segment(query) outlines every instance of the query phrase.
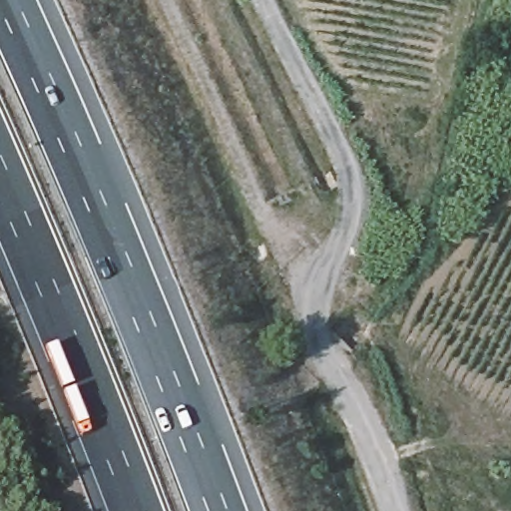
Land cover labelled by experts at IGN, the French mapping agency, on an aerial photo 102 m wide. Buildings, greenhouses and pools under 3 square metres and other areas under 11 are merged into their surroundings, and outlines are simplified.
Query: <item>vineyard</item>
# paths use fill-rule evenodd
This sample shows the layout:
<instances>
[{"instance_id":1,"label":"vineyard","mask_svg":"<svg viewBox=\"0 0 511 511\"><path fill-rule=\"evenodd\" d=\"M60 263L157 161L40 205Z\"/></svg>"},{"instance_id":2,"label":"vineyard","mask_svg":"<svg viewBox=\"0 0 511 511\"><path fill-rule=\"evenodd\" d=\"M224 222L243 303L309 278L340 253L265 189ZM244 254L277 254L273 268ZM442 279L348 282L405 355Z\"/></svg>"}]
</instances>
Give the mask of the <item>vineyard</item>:
<instances>
[{"instance_id":1,"label":"vineyard","mask_svg":"<svg viewBox=\"0 0 511 511\"><path fill-rule=\"evenodd\" d=\"M505 178L499 178L497 194L489 200L487 216L477 224L477 228L463 234L465 242L453 254L443 259L443 263L435 269L431 277L427 277L423 283L413 281L409 285L405 297L411 303L411 307L405 315L405 323L399 335L405 337L407 343L419 345L421 341L425 341L425 335L431 335L421 351L439 353L441 357L445 357L447 347L455 339L461 339L459 347L451 355L457 357L457 361L467 369L501 381L507 389L511 389L511 186Z\"/></svg>"},{"instance_id":2,"label":"vineyard","mask_svg":"<svg viewBox=\"0 0 511 511\"><path fill-rule=\"evenodd\" d=\"M481 30L481 42L489 48L489 52L505 60L503 72L511 74L511 12L505 12L501 20L489 20Z\"/></svg>"},{"instance_id":3,"label":"vineyard","mask_svg":"<svg viewBox=\"0 0 511 511\"><path fill-rule=\"evenodd\" d=\"M230 172L230 178L240 186L240 196L246 200L246 206L252 210L259 232L265 236L263 244L257 250L261 279L267 285L265 295L275 297L277 301L281 301L285 309L293 313L293 295L287 283L289 267L295 265L299 257L311 248L315 250L325 244L331 230L341 220L343 208L341 204L337 204L337 200L333 200L333 202L319 202L319 198L315 196L315 192L313 192L313 186L317 186L317 190L319 190L319 192L321 192L321 190L327 190L327 188L333 188L337 170L333 168L325 146L317 136L313 120L307 114L303 100L299 98L299 92L295 90L287 70L283 68L273 48L269 32L261 16L257 14L252 0L146 0L150 20L164 34L172 58L178 62L178 68L190 88L190 94L204 114L208 132L214 136L218 144L218 152Z\"/></svg>"},{"instance_id":4,"label":"vineyard","mask_svg":"<svg viewBox=\"0 0 511 511\"><path fill-rule=\"evenodd\" d=\"M387 94L397 94L399 88L405 92L421 92L421 88L429 88L433 92L433 100L439 100L441 104L445 102L445 94L453 90L453 76L457 70L461 40L465 32L473 26L475 10L471 6L475 0L275 0L287 28L293 32L295 38L303 30L307 30L317 50L331 66L331 70L343 78L353 90L367 90L369 86L379 86L379 90Z\"/></svg>"}]
</instances>

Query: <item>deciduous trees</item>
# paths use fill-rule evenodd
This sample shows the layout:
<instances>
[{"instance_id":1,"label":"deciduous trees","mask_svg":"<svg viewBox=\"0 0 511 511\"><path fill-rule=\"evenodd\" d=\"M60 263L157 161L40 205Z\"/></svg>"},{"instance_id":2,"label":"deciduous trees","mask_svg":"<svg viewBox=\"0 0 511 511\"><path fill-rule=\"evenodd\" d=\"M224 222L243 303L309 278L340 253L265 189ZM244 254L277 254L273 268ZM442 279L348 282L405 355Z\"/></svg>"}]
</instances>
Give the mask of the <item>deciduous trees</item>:
<instances>
[{"instance_id":1,"label":"deciduous trees","mask_svg":"<svg viewBox=\"0 0 511 511\"><path fill-rule=\"evenodd\" d=\"M333 108L333 126L337 128L337 132L343 130L363 176L365 206L361 214L361 228L357 234L355 248L353 257L359 261L359 271L365 275L367 281L375 285L375 289L367 297L371 307L367 307L363 315L371 323L385 319L393 313L405 315L411 307L411 303L405 297L409 285L413 281L423 283L427 277L431 277L435 269L443 263L443 259L453 254L465 242L463 234L477 228L477 224L487 216L489 200L497 194L499 178L505 178L511 186L511 74L503 72L505 60L489 52L489 48L481 42L481 30L489 20L501 20L505 12L511 12L511 0L475 0L471 6L475 10L473 26L465 32L461 40L457 70L453 76L453 90L445 94L445 102L447 112L437 116L437 128L421 138L415 138L415 132L425 126L427 112L421 108L405 110L407 118L415 120L413 124L371 124L361 116L359 122L349 124L351 112L341 102L341 90L337 88L337 84L343 78L331 70L331 66L317 50L307 30L303 30L295 38L303 56L309 60L311 72L319 82L325 100ZM401 212L397 204L383 194L381 176L375 168L375 162L367 156L369 148L365 142L355 138L355 132L361 128L367 132L367 136L375 138L387 154L387 166L391 170L395 188L403 184L407 186L407 210Z\"/></svg>"},{"instance_id":2,"label":"deciduous trees","mask_svg":"<svg viewBox=\"0 0 511 511\"><path fill-rule=\"evenodd\" d=\"M218 144L214 136L208 132L204 114L190 94L190 88L178 68L178 62L172 58L164 34L150 20L146 0L74 0L84 4L82 28L90 34L92 44L104 54L106 66L112 74L112 82L118 88L116 92L128 104L130 114L136 118L136 122L152 138L158 138L158 152L162 156L152 164L152 172L168 200L166 218L178 222L178 242L182 244L184 257L188 261L202 263L200 285L208 293L208 301L202 307L202 317L210 323L210 337L218 353L226 361L238 361L242 367L242 375L248 377L250 385L254 387L254 391L250 391L248 395L248 401L244 401L240 409L244 413L255 449L259 451L261 463L273 469L275 483L279 485L277 493L281 501L289 507L289 511L379 511L375 497L369 489L369 481L363 473L363 467L355 459L355 449L347 435L345 423L339 415L341 405L333 401L339 393L335 387L325 385L325 379L313 367L309 357L321 357L321 353L327 347L339 341L345 341L349 345L351 369L371 395L373 407L377 409L377 415L391 443L395 445L407 445L415 439L443 437L449 431L449 415L443 407L425 405L423 399L417 395L417 377L413 373L403 373L403 381L411 399L411 409L419 409L415 413L417 423L409 425L401 409L401 399L395 389L395 381L383 359L383 353L379 351L379 345L355 341L355 333L359 331L357 321L343 317L341 313L331 313L329 317L313 313L307 315L307 319L295 319L293 313L285 309L281 301L277 301L275 297L265 295L267 285L261 279L257 250L263 244L265 236L259 232L252 210L246 206L246 200L240 196L240 186L230 178L230 172L218 152Z\"/></svg>"},{"instance_id":3,"label":"deciduous trees","mask_svg":"<svg viewBox=\"0 0 511 511\"><path fill-rule=\"evenodd\" d=\"M469 449L465 445L451 445L447 449L425 449L399 461L411 511L511 511L511 447L499 441L495 441L491 449Z\"/></svg>"},{"instance_id":4,"label":"deciduous trees","mask_svg":"<svg viewBox=\"0 0 511 511\"><path fill-rule=\"evenodd\" d=\"M16 417L0 415L0 511L60 511L58 505L46 499L38 499L40 489L34 485L36 481L30 467L30 455L22 451L24 439L22 429L16 423Z\"/></svg>"},{"instance_id":5,"label":"deciduous trees","mask_svg":"<svg viewBox=\"0 0 511 511\"><path fill-rule=\"evenodd\" d=\"M319 198L319 202L333 202L333 200L337 200L337 196L339 196L339 190L335 190L335 188L333 188L327 188L327 190L321 190L321 192L319 192L319 190L317 190L317 186L313 186L313 192L315 192L315 196Z\"/></svg>"}]
</instances>

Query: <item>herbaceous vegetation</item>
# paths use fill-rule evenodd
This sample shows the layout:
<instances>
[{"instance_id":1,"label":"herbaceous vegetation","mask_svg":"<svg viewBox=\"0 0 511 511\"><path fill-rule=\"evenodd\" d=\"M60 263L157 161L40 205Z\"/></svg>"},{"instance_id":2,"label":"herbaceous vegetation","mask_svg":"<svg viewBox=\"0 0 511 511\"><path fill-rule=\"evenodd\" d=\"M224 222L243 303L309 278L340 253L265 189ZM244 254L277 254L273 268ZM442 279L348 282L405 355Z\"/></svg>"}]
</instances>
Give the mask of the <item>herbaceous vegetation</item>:
<instances>
[{"instance_id":1,"label":"herbaceous vegetation","mask_svg":"<svg viewBox=\"0 0 511 511\"><path fill-rule=\"evenodd\" d=\"M465 445L469 449L491 449L495 441L499 441L511 447L511 389L507 389L501 381L467 369L457 361L457 357L451 355L459 347L461 339L455 339L447 347L445 357L441 357L439 353L421 351L431 335L425 335L425 341L421 341L419 345L407 343L405 337L399 335L405 323L405 315L393 313L385 319L371 323L363 315L367 307L371 307L367 297L375 289L375 285L367 281L365 275L359 271L359 261L353 257L355 248L349 248L351 257L347 257L345 267L339 273L335 295L331 301L331 313L341 313L343 317L357 321L359 331L355 333L355 341L379 345L379 351L383 353L383 359L395 381L395 389L401 399L401 409L409 425L417 423L415 413L419 409L411 409L411 399L403 381L403 373L413 373L417 377L417 395L423 399L425 405L443 407L449 415L449 431L443 437L415 439L407 445L395 445L399 461L425 449L447 449L451 445Z\"/></svg>"},{"instance_id":2,"label":"herbaceous vegetation","mask_svg":"<svg viewBox=\"0 0 511 511\"><path fill-rule=\"evenodd\" d=\"M88 465L70 463L66 445L62 443L58 427L54 425L52 413L48 409L40 409L38 399L30 395L28 383L20 381L20 371L26 367L26 361L22 359L24 345L12 323L12 317L4 309L6 303L10 303L10 299L0 279L0 415L16 417L16 423L22 429L24 439L22 451L30 455L30 467L36 481L34 485L40 489L38 499L46 499L58 505L60 511L102 511L88 509L80 493L70 491L70 485L82 473L88 471Z\"/></svg>"},{"instance_id":3,"label":"herbaceous vegetation","mask_svg":"<svg viewBox=\"0 0 511 511\"><path fill-rule=\"evenodd\" d=\"M387 94L379 90L379 86L369 86L367 90L353 90L343 78L337 84L337 88L341 90L341 102L351 112L349 124L359 122L361 116L371 124L413 124L415 120L407 118L405 110L421 108L427 112L425 126L415 132L415 138L421 138L437 128L437 116L447 112L445 102L441 104L439 100L433 100L433 92L429 88L421 88L421 92L405 92L399 88L397 94Z\"/></svg>"},{"instance_id":4,"label":"herbaceous vegetation","mask_svg":"<svg viewBox=\"0 0 511 511\"><path fill-rule=\"evenodd\" d=\"M375 162L375 168L381 176L383 194L397 204L401 212L407 210L407 186L403 184L395 188L391 170L387 166L387 154L375 138L367 136L367 132L361 128L355 132L355 138L365 142L369 148L367 156Z\"/></svg>"}]
</instances>

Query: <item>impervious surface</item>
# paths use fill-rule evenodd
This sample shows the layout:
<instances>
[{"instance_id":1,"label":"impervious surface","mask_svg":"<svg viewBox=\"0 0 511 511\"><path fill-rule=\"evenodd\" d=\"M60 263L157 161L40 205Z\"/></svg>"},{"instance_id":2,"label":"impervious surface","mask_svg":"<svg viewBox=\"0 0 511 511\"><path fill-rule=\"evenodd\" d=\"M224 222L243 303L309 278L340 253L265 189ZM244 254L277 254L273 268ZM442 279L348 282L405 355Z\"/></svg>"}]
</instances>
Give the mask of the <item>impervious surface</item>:
<instances>
[{"instance_id":1,"label":"impervious surface","mask_svg":"<svg viewBox=\"0 0 511 511\"><path fill-rule=\"evenodd\" d=\"M218 353L210 337L210 323L202 317L202 307L208 301L208 293L200 285L202 263L188 261L184 257L182 244L178 242L178 222L166 218L168 200L152 172L152 164L162 156L158 152L158 138L152 138L136 122L136 118L130 114L128 104L116 92L118 88L112 82L112 74L106 66L104 54L92 44L90 34L82 28L84 4L74 0L0 0L0 279L10 299L10 303L6 303L4 309L12 317L12 323L24 345L22 359L26 361L26 367L20 371L20 381L28 383L30 395L38 399L40 409L48 409L52 413L54 425L58 427L62 443L66 445L70 463L88 465L88 471L82 473L70 485L70 491L80 493L88 509L102 511L289 511L289 507L281 501L277 493L279 485L275 483L273 469L261 463L259 451L255 449L244 413L240 409L244 401L248 401L248 395L250 391L254 391L254 387L250 385L248 377L242 375L242 367L238 361L226 361Z\"/></svg>"}]
</instances>

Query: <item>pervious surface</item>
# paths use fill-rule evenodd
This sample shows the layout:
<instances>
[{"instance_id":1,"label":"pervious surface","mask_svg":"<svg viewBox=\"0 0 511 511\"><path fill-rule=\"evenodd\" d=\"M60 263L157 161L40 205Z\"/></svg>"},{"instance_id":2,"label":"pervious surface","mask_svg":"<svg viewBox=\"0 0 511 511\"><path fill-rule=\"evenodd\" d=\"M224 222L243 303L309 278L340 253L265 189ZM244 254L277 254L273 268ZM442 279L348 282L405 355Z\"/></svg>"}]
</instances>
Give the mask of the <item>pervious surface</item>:
<instances>
[{"instance_id":1,"label":"pervious surface","mask_svg":"<svg viewBox=\"0 0 511 511\"><path fill-rule=\"evenodd\" d=\"M337 196L337 200L337 204L341 204L343 208L341 220L331 230L325 244L315 250L311 248L299 257L295 265L289 267L287 283L293 295L293 313L295 319L307 319L307 315L313 313L329 317L331 313L331 301L335 295L339 273L345 267L347 257L351 257L349 248L355 248L357 234L361 228L361 214L365 206L363 176L343 130L337 132L337 128L333 126L333 108L325 100L319 82L311 72L309 60L303 56L295 38L293 32L287 28L275 0L252 0L257 14L261 16L269 32L273 48L283 68L287 70L295 90L299 92L299 98L303 100L307 114L313 120L317 136L325 146L333 168L337 170L333 188L335 188L335 190L339 190L339 196Z\"/></svg>"},{"instance_id":2,"label":"pervious surface","mask_svg":"<svg viewBox=\"0 0 511 511\"><path fill-rule=\"evenodd\" d=\"M375 497L379 511L411 511L399 461L395 445L391 443L377 415L377 409L373 407L371 395L351 369L349 345L345 341L339 341L327 347L321 353L321 357L309 357L313 367L325 379L325 385L335 387L339 393L333 401L341 405L339 415L345 423L347 435L355 449L355 459L363 467L363 473L369 481L369 489Z\"/></svg>"}]
</instances>

